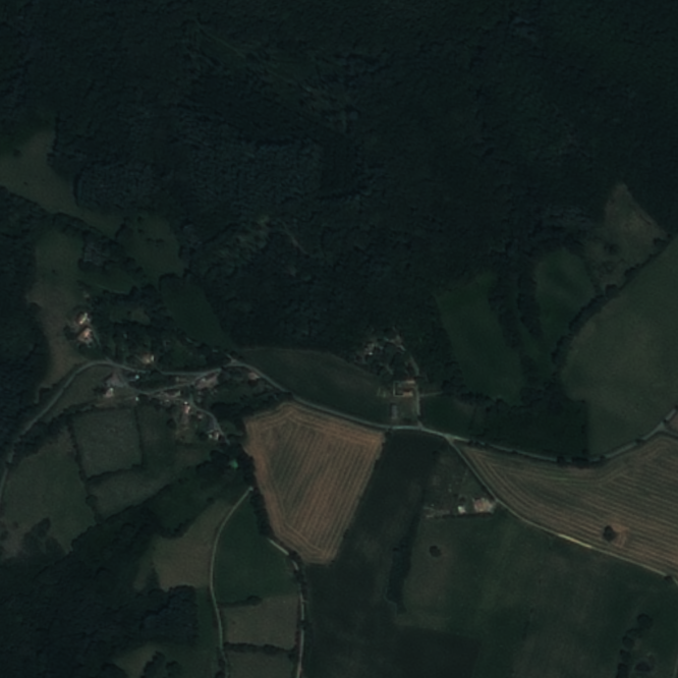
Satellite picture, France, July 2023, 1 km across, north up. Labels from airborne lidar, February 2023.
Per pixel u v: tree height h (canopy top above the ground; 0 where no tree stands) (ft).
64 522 0
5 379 52
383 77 91
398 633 0
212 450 0
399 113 92
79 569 56
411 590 0
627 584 0
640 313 0
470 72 77
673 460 0
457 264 53
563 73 92
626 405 0
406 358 46
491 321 0
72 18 70
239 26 76
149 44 89
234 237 66
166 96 79
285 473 0
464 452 0
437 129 78
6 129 28
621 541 0
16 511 0
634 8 71
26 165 0
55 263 0
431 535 0
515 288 0
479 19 47
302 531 0
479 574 0
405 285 92
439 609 0
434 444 0
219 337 0
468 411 0
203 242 76
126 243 38
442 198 100
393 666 0
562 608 0
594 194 62
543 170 69
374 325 48
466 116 91
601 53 64
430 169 93
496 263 83
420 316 74
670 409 0
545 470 0
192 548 0
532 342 0
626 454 0
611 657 0
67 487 0
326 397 0
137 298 70
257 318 57
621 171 70
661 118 82
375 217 103
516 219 99
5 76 25
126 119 94
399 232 87
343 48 98
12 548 0
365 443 0
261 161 79
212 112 28
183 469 0
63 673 47
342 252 68
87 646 45
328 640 0
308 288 63
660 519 0
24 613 62
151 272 0
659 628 0
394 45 98
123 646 27
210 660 0
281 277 76
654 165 94
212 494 0
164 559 0
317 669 0
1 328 56
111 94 87
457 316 0
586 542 0
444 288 69
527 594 0
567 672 0
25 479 0
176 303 0
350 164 29
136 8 86
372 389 0
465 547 0
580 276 0
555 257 0
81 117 68
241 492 0
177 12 85
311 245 80
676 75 78
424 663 0
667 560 0
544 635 0
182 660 0
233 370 20
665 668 0
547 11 65
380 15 58
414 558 0
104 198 98
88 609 50
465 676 0
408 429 0
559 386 27
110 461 0
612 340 0
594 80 94
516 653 0
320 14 61
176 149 75
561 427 0
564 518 0
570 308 0
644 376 0
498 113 87
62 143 54
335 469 0
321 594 0
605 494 0
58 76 88
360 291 76
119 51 79
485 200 82
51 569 38
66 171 34
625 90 97
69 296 0
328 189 32
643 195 63
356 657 0
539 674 0
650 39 62
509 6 59
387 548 0
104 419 0
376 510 0
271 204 98
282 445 0
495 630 0
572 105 61
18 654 73
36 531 0
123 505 0
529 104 51
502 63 58
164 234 0
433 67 72
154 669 60
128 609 23
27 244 21
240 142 88
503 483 0
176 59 79
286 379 0
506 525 0
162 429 0
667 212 72
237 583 0
